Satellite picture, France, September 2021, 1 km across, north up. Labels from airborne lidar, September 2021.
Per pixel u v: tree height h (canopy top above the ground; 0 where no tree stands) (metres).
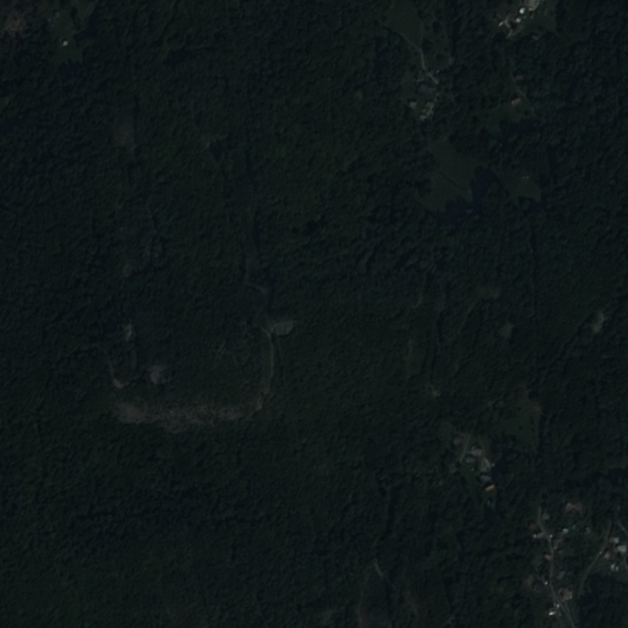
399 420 16
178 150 20
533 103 15
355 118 24
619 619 27
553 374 18
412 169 32
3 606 16
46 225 20
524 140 25
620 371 19
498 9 25
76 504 25
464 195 0
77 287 33
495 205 24
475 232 31
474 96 33
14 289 21
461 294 18
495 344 21
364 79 24
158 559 22
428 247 30
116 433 33
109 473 27
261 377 14
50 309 29
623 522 21
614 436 26
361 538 29
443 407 26
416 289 18
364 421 18
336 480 22
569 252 19
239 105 13
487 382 19
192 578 11
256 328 10
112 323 21
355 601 26
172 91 18
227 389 16
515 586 30
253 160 17
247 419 9
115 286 16
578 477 20
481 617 31
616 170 24
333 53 31
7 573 13
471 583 24
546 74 24
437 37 13
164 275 18
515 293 26
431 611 11
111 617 17
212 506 26
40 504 18
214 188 16
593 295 18
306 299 16
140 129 12
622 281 13
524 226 20
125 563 20
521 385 21
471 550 31
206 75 22
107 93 26
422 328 11
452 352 19
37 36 22
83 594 17
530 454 6
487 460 0
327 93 29
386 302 11
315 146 26
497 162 21
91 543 23
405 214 28
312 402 17
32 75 30
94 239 7
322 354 13
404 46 20
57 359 19
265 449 19
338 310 20
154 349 13
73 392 28
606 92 30
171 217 21
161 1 25
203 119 21
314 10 21
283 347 17
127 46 27
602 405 27
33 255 20
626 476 15
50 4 19
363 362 17
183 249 21
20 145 29
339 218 29
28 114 27
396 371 15
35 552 24
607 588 29
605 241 18
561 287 22
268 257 21
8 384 24
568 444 25
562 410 22
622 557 11
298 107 25
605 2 24
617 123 28
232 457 20
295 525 31
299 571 22
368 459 28
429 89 0
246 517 29
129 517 22
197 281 25
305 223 9
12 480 33
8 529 27
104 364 12
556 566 7
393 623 13
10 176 21
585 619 16
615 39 19
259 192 14
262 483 18
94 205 22
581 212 20
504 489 22
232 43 22
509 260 22
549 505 15
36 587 13
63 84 14
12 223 24
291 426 19
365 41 29
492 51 33
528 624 25
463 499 30
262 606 19
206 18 26
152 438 27
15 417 32
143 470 28
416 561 6
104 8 13
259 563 25
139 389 17
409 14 0
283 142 29
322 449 31
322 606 14
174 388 13
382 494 6
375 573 5
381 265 33
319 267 27
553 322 23
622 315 19
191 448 21
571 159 28
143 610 20
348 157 29
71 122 28
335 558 15
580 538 6
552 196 20
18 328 21
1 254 26
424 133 23
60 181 17
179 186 22
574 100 23
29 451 25
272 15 29
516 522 22
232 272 29
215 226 23
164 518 29
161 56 27
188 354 18
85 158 20
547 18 0
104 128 19
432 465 31
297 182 19
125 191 8
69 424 25
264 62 25
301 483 16
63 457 18
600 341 22
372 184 23
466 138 24
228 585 18
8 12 17
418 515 23
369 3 29
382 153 20
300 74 19
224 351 20
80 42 18
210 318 24
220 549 19
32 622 14
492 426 21
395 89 26
